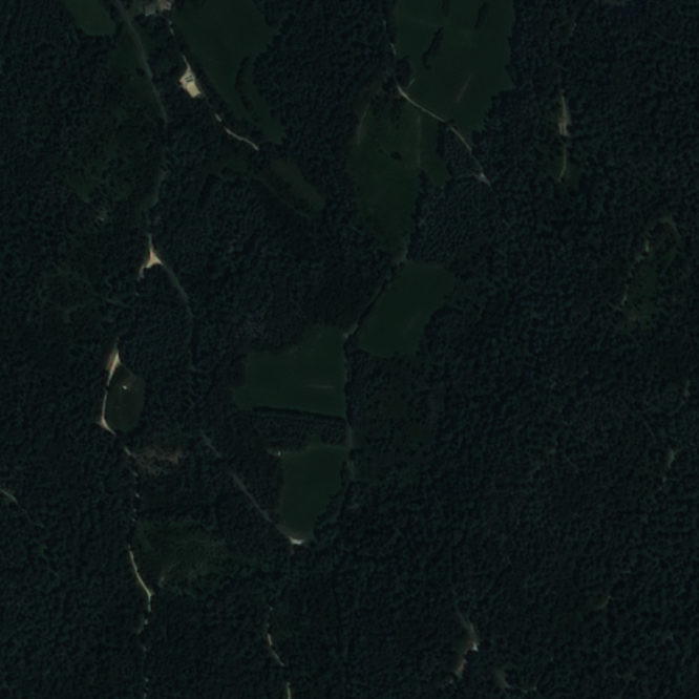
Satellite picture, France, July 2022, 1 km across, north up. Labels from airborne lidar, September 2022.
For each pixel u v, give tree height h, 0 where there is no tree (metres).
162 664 27
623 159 29
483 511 22
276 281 26
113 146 0
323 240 8
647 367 28
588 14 22
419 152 0
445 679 27
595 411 34
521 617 13
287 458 0
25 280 15
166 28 18
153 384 22
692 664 15
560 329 32
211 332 28
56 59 21
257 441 17
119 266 20
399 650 12
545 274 16
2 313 16
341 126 29
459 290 8
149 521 25
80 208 24
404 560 17
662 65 25
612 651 27
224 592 9
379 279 22
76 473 23
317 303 9
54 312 10
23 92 22
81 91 29
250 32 0
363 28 34
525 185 11
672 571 22
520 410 25
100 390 8
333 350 0
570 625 14
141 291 18
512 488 19
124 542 23
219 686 14
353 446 0
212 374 8
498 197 15
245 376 10
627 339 14
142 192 10
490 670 26
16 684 23
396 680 15
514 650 16
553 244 26
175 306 29
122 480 25
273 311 21
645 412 31
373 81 22
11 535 20
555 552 21
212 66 0
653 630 22
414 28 0
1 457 27
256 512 23
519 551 20
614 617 18
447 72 0
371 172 0
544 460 23
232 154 6
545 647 15
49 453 22
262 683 22
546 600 16
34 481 27
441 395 5
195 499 8
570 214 17
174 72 16
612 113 25
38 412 25
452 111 0
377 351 0
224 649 21
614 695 15
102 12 0
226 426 10
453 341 18
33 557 20
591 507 21
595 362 28
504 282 9
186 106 20
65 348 15
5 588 27
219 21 0
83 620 24
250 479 18
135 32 0
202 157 25
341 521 14
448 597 17
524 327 24
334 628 12
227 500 32
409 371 6
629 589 29
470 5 0
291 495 0
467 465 20
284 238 10
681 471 15
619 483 24
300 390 0
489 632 18
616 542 22
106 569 6
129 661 10
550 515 20
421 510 13
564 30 10
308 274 23
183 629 13
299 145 21
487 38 0
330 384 0
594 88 28
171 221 24
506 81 0
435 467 19
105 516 28
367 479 6
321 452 0
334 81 32
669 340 8
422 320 0
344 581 22
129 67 0
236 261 33
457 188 26
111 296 21
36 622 27
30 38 18
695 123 25
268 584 30
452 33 0
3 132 23
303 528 0
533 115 26
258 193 12
